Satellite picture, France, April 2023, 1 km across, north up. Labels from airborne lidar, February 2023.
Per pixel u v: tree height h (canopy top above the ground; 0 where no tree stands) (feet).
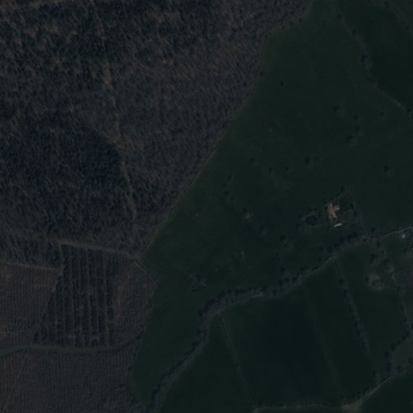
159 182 57
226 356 0
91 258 29
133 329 24
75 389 33
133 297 20
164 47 58
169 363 0
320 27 0
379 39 0
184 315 0
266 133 0
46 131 61
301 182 0
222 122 77
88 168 63
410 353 0
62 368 22
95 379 31
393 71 0
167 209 38
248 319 0
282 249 0
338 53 0
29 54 60
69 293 30
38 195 65
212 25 57
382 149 0
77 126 58
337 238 0
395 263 0
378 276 0
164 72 82
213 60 74
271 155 0
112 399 21
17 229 72
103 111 81
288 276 46
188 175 66
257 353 0
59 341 31
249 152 0
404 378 0
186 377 0
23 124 58
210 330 0
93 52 47
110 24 67
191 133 87
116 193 59
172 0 68
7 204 73
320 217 37
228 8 85
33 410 24
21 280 19
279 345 0
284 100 0
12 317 20
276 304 0
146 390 0
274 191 0
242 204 0
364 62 51
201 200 0
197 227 0
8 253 66
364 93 0
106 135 75
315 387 0
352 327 0
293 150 0
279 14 78
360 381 0
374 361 0
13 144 47
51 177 58
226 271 0
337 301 0
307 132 0
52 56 57
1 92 78
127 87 72
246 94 41
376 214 0
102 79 74
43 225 76
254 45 64
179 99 77
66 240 63
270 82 0
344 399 25
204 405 0
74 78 62
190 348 0
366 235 34
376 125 0
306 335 0
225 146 0
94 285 31
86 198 49
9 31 74
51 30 75
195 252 0
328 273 0
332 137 0
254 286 0
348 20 0
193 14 76
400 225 0
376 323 0
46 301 21
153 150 54
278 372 0
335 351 0
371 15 0
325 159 0
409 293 0
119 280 30
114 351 24
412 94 0
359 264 0
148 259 0
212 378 0
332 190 0
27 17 74
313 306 0
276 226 0
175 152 78
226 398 0
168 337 0
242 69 64
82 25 65
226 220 0
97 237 67
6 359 19
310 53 0
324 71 0
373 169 0
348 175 0
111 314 30
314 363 0
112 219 75
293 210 0
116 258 26
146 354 0
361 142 0
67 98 76
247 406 0
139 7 65
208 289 0
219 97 61
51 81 45
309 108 0
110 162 66
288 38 0
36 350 19
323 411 0
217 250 0
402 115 0
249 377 0
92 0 0
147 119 70
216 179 0
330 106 0
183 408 0
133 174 62
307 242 0
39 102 66
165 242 0
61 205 68
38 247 70
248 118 0
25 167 52
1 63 64
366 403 0
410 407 0
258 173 0
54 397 26
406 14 0
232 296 57
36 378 20
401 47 0
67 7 66
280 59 0
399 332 0
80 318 22
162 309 0
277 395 0
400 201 0
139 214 72
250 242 0
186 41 60
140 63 53
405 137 0
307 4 43
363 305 0
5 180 45
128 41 47
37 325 25
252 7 75
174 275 0
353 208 49
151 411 58
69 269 28
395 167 0
